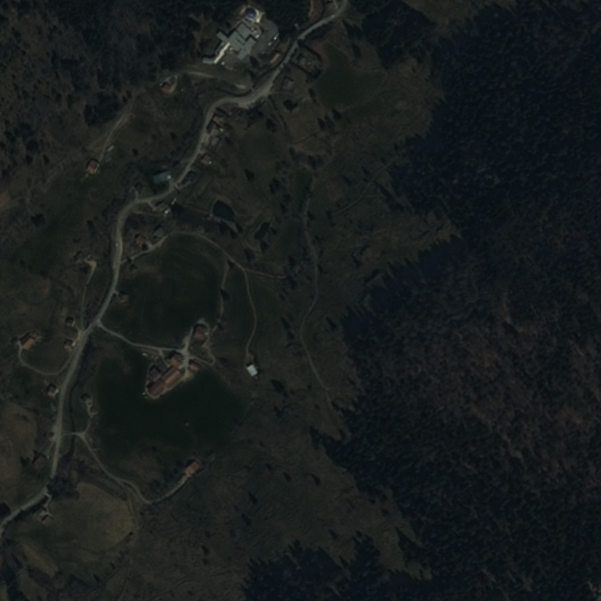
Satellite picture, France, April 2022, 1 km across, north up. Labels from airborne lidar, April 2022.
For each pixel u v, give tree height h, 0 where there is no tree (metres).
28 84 12
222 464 0
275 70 0
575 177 25
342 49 0
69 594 6
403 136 0
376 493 30
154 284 0
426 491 30
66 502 0
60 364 0
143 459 0
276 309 0
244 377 0
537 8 11
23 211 13
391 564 0
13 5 13
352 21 0
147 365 0
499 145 17
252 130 0
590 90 19
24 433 0
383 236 0
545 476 27
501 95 23
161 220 0
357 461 23
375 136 0
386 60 22
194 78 0
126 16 22
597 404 21
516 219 19
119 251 0
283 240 0
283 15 26
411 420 12
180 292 0
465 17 0
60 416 0
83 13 12
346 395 0
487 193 18
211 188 0
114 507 0
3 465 0
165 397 0
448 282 35
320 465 0
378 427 25
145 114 0
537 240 18
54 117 16
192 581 0
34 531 0
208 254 0
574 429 27
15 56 8
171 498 0
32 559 0
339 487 0
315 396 0
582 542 28
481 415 30
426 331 13
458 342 15
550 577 22
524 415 34
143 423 0
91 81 16
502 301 22
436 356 29
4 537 12
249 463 0
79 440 0
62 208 0
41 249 0
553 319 16
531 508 30
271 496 0
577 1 24
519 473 35
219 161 0
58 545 0
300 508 0
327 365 0
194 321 0
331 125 20
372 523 0
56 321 0
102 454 0
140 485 0
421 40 20
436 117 0
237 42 0
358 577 17
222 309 0
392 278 0
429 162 17
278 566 0
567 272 24
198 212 0
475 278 21
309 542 0
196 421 0
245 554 0
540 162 27
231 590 0
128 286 0
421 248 0
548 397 30
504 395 27
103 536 0
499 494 24
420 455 13
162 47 17
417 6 0
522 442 29
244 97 0
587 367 22
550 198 21
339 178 0
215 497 0
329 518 0
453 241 0
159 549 0
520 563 26
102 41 27
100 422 0
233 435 0
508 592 26
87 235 0
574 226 20
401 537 0
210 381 0
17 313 0
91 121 24
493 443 33
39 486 0
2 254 20
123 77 9
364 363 21
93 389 0
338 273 0
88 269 10
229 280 0
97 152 0
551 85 31
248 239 0
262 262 0
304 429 0
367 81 0
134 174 17
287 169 17
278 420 6
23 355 0
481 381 32
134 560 0
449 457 31
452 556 26
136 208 0
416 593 29
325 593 22
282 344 0
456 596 40
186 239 0
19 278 0
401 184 26
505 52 17
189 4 29
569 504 32
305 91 0
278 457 0
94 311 9
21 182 0
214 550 0
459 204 23
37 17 16
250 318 0
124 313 0
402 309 31
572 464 28
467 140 20
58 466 0
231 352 0
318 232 0
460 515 11
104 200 0
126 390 0
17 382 0
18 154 15
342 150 0
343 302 0
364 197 0
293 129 0
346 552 0
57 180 0
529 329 17
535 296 16
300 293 0
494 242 23
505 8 0
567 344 25
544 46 22
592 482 24
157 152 0
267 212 0
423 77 0
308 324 0
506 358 26
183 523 0
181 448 0
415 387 26
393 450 18
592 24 15
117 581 0
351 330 0
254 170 0
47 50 12
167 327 0
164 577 0
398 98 0
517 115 32
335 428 0
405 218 0
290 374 0
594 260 22
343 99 0
